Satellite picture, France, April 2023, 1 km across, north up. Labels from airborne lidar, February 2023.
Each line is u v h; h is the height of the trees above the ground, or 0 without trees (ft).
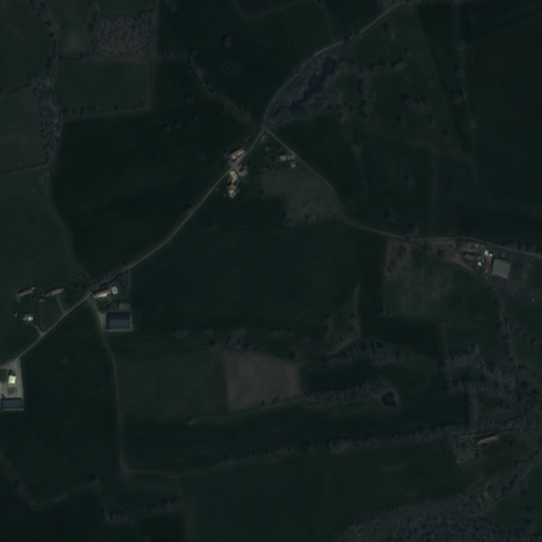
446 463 0
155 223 0
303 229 0
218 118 0
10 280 0
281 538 0
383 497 0
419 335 0
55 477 0
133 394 0
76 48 0
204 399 0
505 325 40
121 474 0
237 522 0
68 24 0
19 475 0
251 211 0
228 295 0
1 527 0
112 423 0
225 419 0
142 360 0
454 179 0
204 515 0
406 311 0
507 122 0
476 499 46
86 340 0
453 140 0
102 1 0
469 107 0
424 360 0
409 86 0
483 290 0
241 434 0
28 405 0
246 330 0
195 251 0
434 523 35
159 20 0
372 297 0
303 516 0
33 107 0
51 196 0
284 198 0
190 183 0
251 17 0
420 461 0
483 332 0
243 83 0
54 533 0
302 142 0
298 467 0
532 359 0
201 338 0
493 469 0
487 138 0
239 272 0
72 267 0
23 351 0
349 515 0
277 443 0
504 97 0
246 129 0
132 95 0
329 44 0
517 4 0
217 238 0
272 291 0
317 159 0
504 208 0
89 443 0
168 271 0
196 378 0
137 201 0
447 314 0
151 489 0
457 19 0
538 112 0
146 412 0
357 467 0
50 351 0
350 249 0
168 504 51
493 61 0
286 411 0
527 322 0
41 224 0
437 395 0
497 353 0
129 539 0
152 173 0
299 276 0
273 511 0
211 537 0
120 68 0
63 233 0
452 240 0
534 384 58
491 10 0
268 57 0
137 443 0
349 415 0
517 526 0
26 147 0
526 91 0
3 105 0
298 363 59
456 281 0
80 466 0
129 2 0
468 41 0
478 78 0
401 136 0
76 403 0
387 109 0
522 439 0
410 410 0
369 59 0
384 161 0
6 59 0
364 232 0
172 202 0
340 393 41
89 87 0
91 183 0
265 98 0
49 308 0
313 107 48
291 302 0
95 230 0
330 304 0
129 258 0
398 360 51
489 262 0
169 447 0
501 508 0
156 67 0
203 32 0
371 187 0
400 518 23
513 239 0
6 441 0
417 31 0
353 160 0
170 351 0
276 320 0
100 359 0
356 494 0
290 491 0
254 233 0
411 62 0
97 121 0
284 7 0
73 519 0
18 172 0
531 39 0
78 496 0
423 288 0
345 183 0
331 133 0
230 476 0
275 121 45
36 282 0
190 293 0
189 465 0
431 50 0
